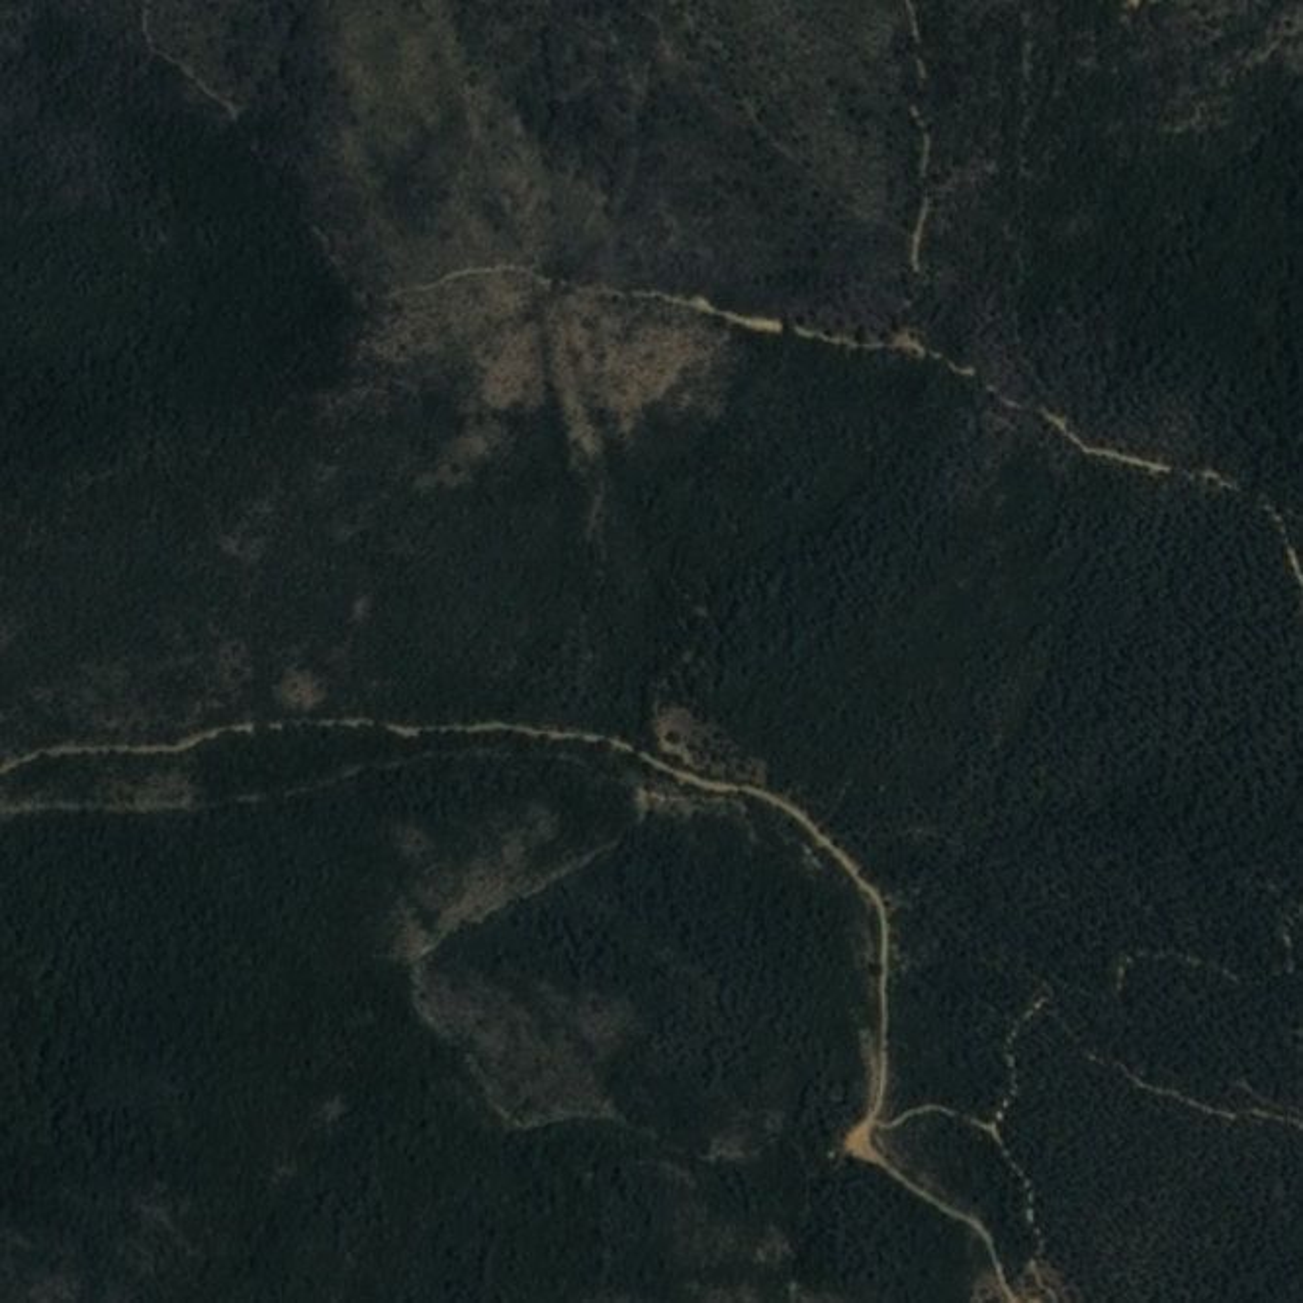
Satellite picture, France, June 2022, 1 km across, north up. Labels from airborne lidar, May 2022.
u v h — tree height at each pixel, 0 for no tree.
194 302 9
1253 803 18
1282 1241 15
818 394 7
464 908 0
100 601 6
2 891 6
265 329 7
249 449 10
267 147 7
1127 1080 15
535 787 10
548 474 9
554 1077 0
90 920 10
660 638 10
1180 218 7
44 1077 16
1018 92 11
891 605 9
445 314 0
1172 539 16
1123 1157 13
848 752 7
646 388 0
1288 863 18
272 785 8
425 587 7
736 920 19
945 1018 10
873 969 8
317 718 9
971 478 15
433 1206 5
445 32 0
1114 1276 15
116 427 8
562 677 8
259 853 8
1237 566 18
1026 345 11
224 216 6
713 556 6
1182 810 6
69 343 6
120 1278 7
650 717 10
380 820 6
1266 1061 17
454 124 0
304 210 7
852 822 12
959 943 13
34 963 18
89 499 6
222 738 8
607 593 10
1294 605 16
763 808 7
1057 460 6
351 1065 8
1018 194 13
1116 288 14
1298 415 13
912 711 12
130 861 11
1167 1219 12
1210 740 12
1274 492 18
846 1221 20
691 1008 11
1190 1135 13
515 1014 0
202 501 6
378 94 0
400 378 7
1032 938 18
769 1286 8
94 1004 7
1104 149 10
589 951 18
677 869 18
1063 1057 13
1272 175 10
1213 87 6
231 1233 6
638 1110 7
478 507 8
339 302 6
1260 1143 12
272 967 11
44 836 8
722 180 11
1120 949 17
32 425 12
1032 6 9
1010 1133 18
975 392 7
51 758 7
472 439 0
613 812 7
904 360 7
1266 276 10
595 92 12
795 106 0
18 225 9
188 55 8
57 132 6
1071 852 21
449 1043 7
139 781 8
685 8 9
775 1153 7
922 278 13
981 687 13
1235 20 10
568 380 0
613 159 11
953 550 10
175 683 6
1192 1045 17
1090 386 22
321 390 8
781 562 8
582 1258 9
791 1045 15
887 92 8
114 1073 6
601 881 6
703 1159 6
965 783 14
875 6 0
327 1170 7
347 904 6
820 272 13
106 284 11
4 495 8
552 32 12
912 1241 10
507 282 0
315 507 6
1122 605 18
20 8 8
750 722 12
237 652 6
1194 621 19
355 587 8
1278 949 18
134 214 7
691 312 0
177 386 5
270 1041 9
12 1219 6
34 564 11
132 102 9
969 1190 6
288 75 13
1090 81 8
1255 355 11
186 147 7
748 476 9
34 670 7
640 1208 11
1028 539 6
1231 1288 20
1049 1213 18
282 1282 5
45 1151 16
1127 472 11
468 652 9
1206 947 21
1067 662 23
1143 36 9
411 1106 6
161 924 12
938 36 10
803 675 9
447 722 8
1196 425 17
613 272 0
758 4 0
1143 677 24
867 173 0
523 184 0
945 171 8
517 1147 9
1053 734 19
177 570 8
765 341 7
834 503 6
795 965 16
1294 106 13
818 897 7
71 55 8
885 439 9
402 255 0
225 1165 6
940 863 20
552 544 7
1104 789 16
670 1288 7
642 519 8
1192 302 9
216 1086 7
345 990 11
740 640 18
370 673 8
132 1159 12
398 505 8
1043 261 12
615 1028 0
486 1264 18
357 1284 8
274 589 10
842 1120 19
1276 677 16
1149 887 21
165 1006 9
